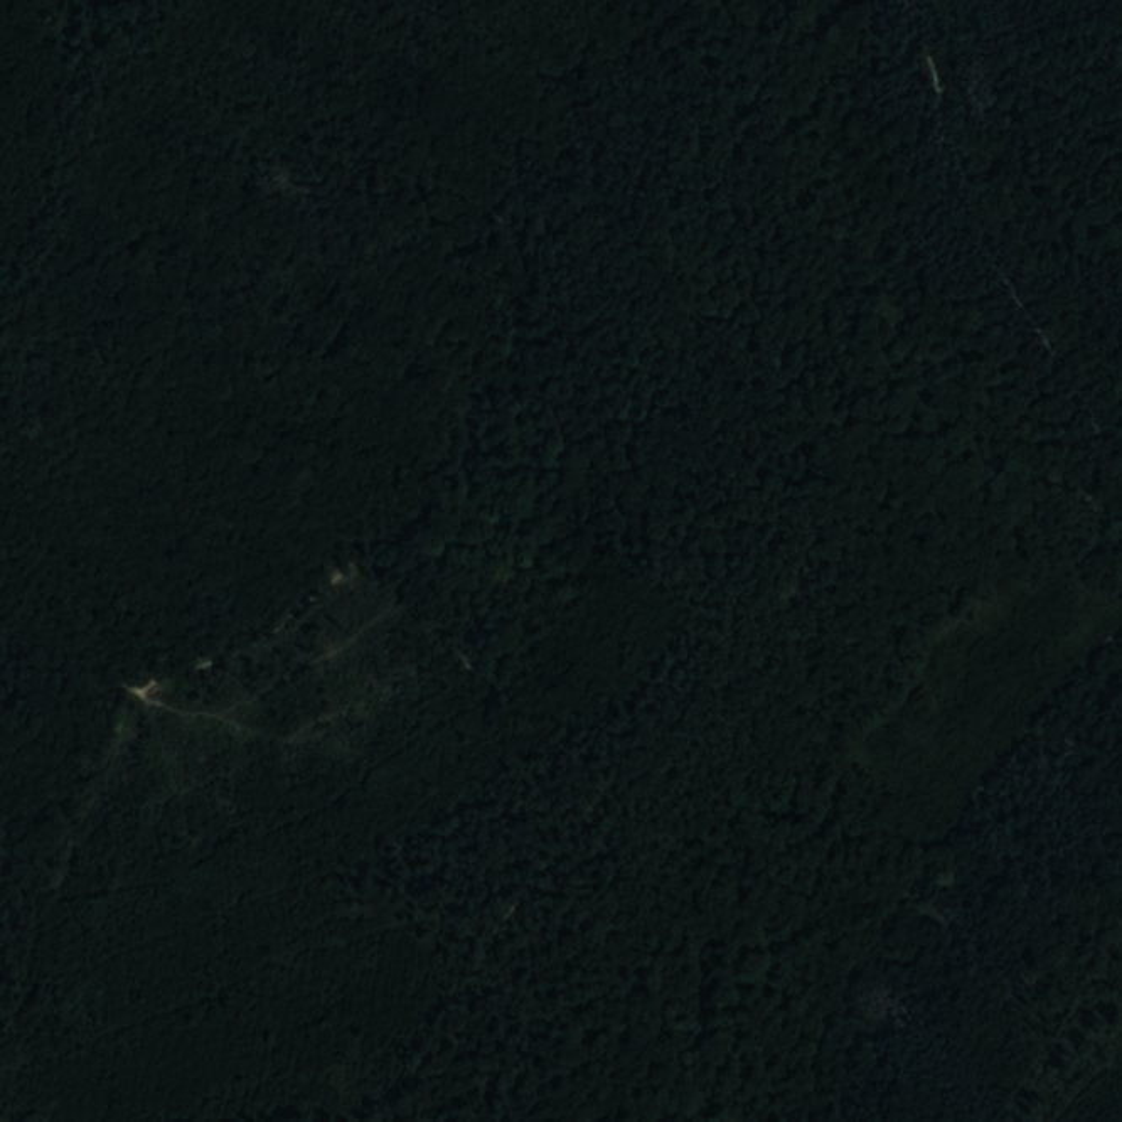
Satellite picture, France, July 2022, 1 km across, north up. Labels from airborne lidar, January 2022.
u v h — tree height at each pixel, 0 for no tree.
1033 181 31
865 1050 27
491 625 22
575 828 22
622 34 30
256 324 33
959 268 33
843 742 28
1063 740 35
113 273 28
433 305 24
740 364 29
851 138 25
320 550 29
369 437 20
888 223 20
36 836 32
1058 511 25
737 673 21
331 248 28
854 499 30
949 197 26
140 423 18
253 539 27
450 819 29
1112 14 26
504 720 21
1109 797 27
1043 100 30
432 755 11
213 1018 11
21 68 13
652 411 29
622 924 27
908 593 26
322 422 17
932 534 30
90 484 19
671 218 22
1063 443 28
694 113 27
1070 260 24
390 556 32
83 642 31
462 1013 27
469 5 21
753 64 30
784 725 32
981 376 33
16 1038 25
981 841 35
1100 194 25
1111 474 21
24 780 30
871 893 25
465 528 30
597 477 15
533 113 28
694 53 28
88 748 32
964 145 30
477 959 24
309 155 20
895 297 21
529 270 29
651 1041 29
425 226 26
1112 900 30
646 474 33
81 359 22
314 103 26
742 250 27
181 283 30
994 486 33
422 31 22
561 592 28
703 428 30
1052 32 21
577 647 11
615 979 31
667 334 29
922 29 33
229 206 24
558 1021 10
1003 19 23
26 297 22
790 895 30
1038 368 30
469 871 23
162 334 34
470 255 32
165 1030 8
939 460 34
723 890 29
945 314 24
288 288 30
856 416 29
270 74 26
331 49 22
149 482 21
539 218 29
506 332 29
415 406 30
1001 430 31
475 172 24
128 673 30
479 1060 29
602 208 25
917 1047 24
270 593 27
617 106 19
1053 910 24
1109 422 27
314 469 25
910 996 12
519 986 27
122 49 20
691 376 29
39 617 28
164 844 11
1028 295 25
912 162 31
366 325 24
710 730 21
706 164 28
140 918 13
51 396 16
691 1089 31
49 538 26
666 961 28
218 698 20
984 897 19
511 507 25
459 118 17
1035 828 21
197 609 25
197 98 25
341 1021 7
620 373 29
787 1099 28
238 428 24
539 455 28
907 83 35
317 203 23
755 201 24
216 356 32
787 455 29
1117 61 24
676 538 26
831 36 28
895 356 31
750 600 21
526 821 25
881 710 31
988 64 23
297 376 32
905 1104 30
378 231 26
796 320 29
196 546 28
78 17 24
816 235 27
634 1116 29
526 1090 26
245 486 28
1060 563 26
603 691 13
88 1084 6
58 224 23
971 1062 23
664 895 27
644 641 8
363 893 26
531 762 25
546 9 16
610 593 10
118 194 21
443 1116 23
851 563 27
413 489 28
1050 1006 10
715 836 29
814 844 29
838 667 31
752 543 27
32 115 8
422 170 26
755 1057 33
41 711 30
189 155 26
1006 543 33
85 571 25
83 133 17
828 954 30
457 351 25
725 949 31
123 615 20
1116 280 30
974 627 0
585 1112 29
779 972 30
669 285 31
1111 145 23
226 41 23
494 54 27
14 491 26
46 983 9
